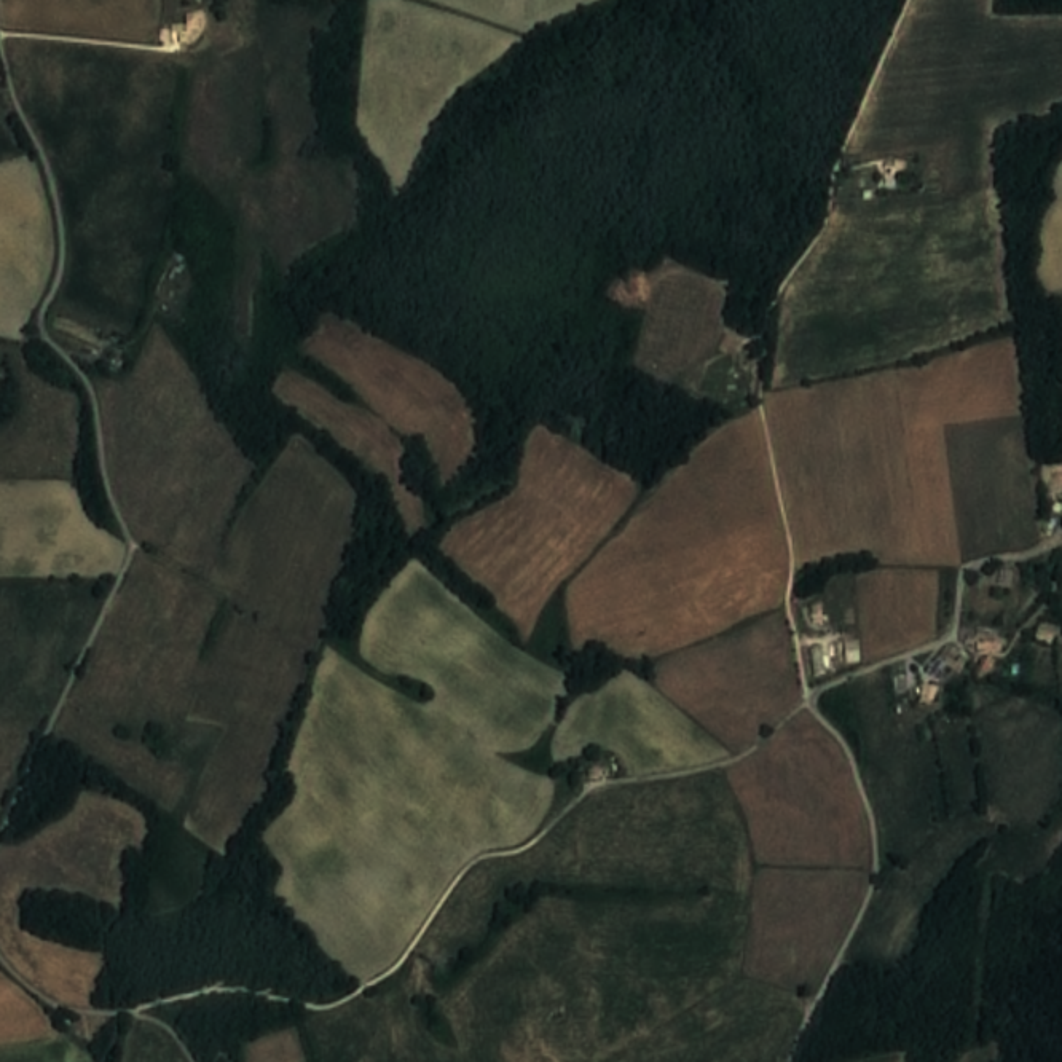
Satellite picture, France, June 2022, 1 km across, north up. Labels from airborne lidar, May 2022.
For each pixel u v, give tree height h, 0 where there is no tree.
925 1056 12
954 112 0
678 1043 0
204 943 9
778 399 0
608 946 0
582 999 0
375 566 18
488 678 0
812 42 6
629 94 9
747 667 0
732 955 0
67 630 0
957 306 0
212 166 0
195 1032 9
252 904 11
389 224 15
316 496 0
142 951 7
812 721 0
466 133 17
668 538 0
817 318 0
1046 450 20
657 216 8
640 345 0
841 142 15
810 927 0
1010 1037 17
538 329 10
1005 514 0
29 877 0
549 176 9
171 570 0
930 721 7
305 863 0
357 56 9
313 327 15
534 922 0
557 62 10
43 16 0
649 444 20
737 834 0
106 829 0
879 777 0
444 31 0
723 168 6
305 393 0
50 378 9
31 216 0
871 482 0
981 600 0
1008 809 0
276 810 13
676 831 0
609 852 0
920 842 0
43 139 0
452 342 12
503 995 0
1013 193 14
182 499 0
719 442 0
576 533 0
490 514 0
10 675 0
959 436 0
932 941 12
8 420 10
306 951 10
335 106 12
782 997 0
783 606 0
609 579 0
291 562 0
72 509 0
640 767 0
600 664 18
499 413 19
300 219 0
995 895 11
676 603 0
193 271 7
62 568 0
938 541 0
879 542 0
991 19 0
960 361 0
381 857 0
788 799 0
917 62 0
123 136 0
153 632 0
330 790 0
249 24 0
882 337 0
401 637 0
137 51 0
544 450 0
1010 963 14
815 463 0
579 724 0
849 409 0
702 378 0
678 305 0
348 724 0
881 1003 17
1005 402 0
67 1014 13
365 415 0
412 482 21
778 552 0
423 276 10
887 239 0
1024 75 0
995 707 0
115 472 0
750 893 0
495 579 0
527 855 0
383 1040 0
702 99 9
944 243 0
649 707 0
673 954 0
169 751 0
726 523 0
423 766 0
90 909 12
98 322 0
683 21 7
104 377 7
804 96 7
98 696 0
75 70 0
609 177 9
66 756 17
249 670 0
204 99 0
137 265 0
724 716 0
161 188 0
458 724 0
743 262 9
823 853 0
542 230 8
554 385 10
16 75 0
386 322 9
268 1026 13
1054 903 11
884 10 11
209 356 7
